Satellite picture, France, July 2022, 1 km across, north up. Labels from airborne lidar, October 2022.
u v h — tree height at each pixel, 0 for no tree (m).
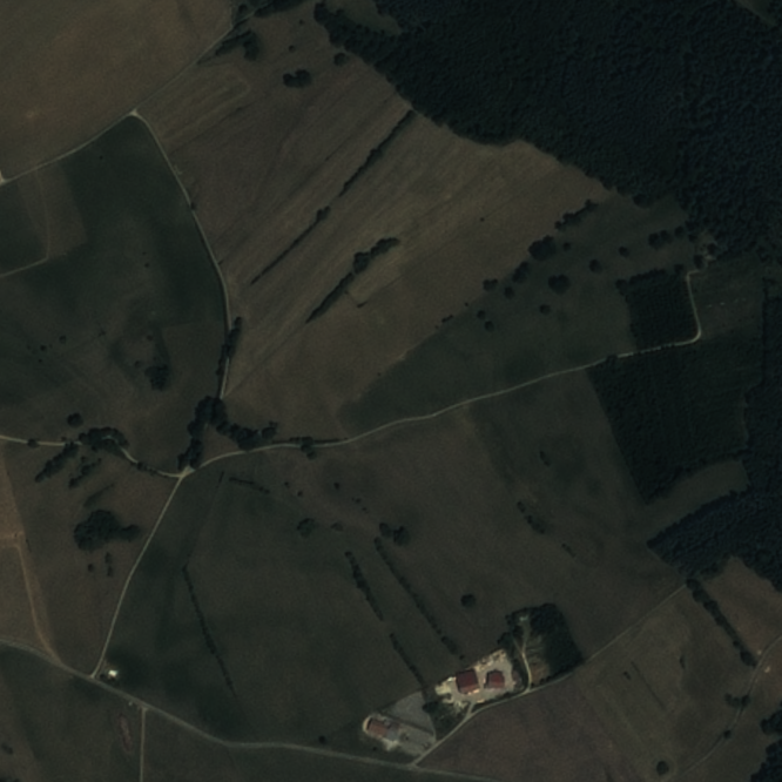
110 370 0
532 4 20
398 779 0
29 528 0
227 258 0
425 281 0
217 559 0
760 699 0
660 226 0
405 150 0
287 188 0
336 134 0
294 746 0
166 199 0
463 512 0
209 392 0
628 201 0
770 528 28
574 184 0
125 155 0
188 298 0
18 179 0
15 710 0
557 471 0
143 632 0
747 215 29
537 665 0
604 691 0
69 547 0
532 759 0
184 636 0
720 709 0
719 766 0
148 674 0
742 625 0
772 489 24
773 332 17
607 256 0
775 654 0
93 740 0
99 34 0
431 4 24
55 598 0
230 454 0
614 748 0
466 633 0
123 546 0
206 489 0
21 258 0
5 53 0
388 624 0
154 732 0
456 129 15
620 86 23
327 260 0
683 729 0
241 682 0
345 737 0
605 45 16
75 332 0
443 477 0
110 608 0
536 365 0
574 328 0
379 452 0
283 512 0
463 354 0
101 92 0
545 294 0
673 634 0
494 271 0
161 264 0
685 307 6
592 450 0
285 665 0
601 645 0
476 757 0
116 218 0
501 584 0
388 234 0
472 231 0
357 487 0
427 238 0
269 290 0
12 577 0
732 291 0
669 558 23
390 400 0
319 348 0
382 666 0
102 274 0
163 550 0
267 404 0
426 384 0
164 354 0
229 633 0
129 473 0
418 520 0
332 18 15
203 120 0
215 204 0
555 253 18
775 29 11
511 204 0
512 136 11
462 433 0
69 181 0
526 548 0
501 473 0
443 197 0
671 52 20
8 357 0
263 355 0
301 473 0
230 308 0
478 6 11
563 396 0
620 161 13
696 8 7
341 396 0
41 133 0
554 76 17
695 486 0
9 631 0
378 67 15
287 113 0
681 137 15
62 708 0
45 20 0
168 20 0
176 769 0
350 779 0
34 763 0
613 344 0
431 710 9
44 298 0
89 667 0
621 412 18
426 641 0
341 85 0
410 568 0
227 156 0
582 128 8
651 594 0
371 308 0
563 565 0
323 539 0
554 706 0
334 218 0
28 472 0
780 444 21
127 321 0
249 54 7
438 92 12
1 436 0
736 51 22
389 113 0
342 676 0
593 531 0
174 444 0
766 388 15
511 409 0
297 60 0
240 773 0
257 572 0
